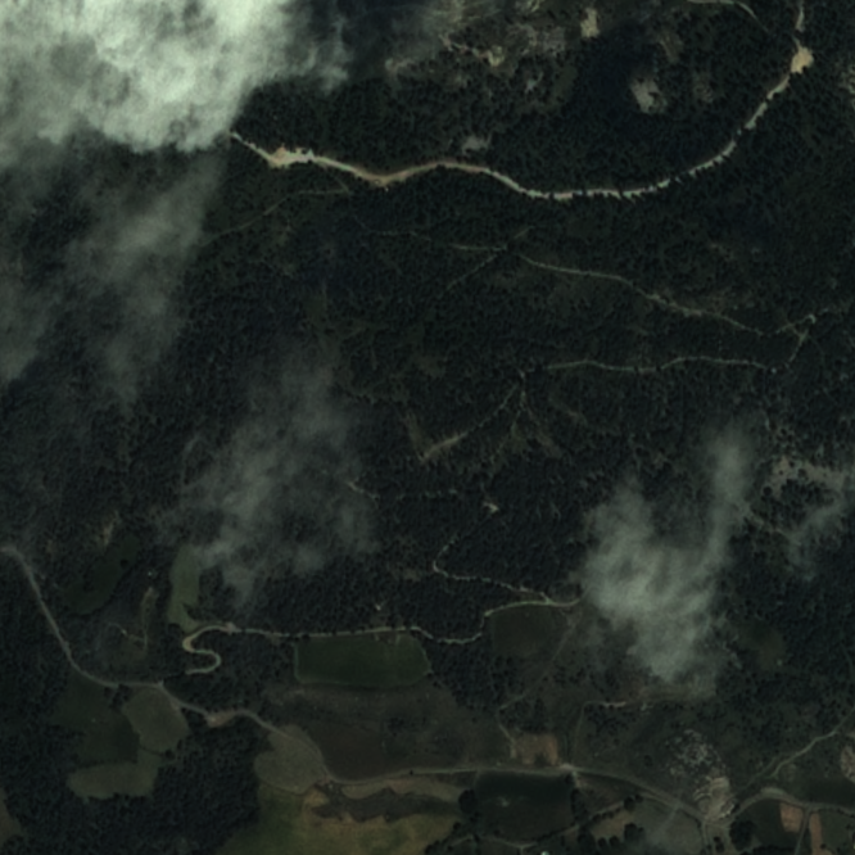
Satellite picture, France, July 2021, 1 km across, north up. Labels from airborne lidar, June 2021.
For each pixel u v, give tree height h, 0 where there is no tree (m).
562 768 0
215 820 13
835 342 9
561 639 0
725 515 12
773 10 26
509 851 0
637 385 10
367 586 13
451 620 6
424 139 13
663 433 13
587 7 0
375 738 0
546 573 13
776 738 6
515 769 0
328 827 0
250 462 8
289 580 12
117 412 6
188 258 0
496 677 10
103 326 13
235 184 8
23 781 19
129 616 10
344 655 0
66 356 13
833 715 8
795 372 9
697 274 11
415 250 6
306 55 0
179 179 9
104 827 13
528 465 9
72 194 19
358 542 10
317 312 0
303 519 13
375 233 8
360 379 9
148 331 16
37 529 11
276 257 8
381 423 16
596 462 14
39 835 14
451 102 8
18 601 18
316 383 17
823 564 14
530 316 10
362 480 10
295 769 0
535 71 9
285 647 10
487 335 10
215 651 11
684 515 13
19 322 9
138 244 0
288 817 0
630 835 14
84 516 10
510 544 16
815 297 11
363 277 8
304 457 13
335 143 13
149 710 0
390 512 15
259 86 20
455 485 16
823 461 9
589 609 0
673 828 0
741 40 26
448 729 0
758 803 0
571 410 11
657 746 0
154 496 11
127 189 0
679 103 23
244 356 14
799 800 0
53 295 7
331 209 9
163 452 10
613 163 16
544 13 0
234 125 26
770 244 8
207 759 9
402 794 0
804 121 26
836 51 18
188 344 13
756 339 6
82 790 0
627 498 11
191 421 16
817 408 12
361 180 9
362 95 13
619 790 0
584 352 8
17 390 17
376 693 0
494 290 10
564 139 27
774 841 0
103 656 13
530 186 12
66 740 16
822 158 14
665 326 6
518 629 0
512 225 9
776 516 13
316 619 10
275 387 18
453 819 0
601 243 12
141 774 0
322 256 15
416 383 6
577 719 0
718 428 6
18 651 22
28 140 13
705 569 13
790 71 7
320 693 0
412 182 9
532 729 7
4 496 11
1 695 8
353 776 0
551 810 0
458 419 14
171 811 8
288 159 0
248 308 11
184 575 0
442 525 16
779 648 0
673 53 0
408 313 7
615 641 0
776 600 11
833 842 0
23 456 8
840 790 0
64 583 12
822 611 15
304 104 24
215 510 15
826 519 11
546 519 16
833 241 9
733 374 10
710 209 10
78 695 0
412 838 0
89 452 17
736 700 7
